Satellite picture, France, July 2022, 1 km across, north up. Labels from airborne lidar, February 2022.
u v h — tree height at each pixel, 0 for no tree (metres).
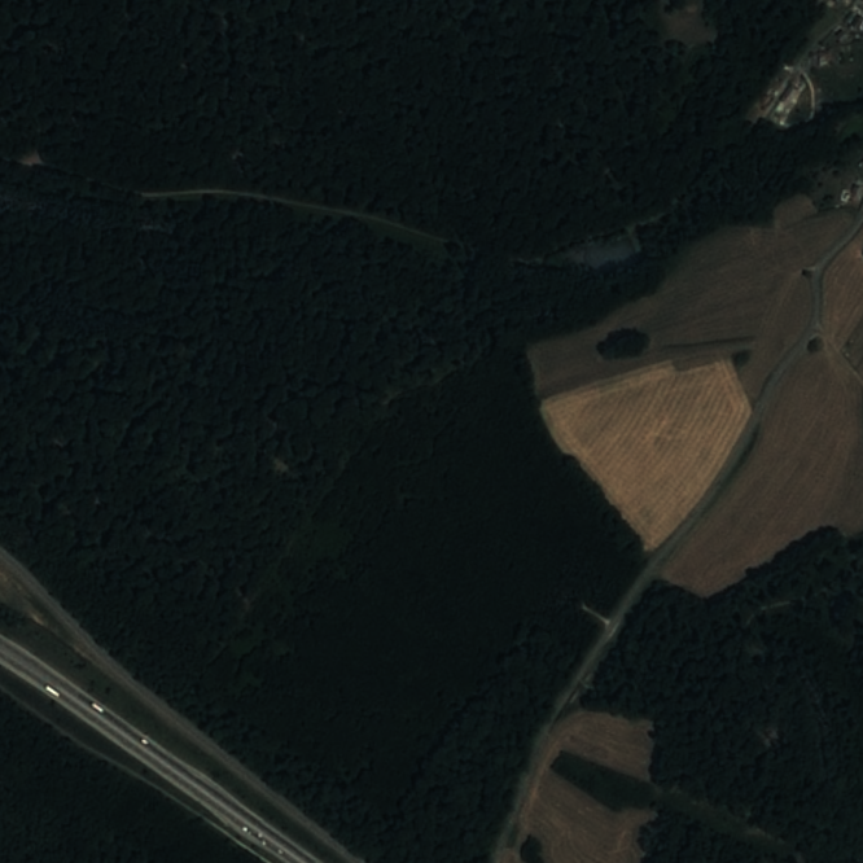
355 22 25
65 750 19
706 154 14
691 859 25
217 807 0
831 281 0
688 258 0
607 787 0
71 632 0
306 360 25
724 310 0
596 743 0
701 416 0
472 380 11
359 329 27
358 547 8
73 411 27
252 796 0
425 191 22
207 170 25
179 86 28
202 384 26
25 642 0
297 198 13
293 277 24
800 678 29
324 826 21
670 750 20
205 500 29
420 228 15
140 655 17
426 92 29
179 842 8
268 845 0
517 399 13
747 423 0
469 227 24
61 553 19
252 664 6
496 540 11
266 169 24
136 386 26
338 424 28
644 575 0
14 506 25
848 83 0
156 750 0
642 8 25
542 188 27
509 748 22
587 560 11
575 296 28
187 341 15
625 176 28
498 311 20
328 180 27
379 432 8
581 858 0
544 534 13
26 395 29
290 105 28
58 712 0
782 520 0
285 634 9
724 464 0
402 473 7
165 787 0
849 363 0
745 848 11
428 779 29
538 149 25
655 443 0
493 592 11
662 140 11
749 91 29
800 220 0
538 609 11
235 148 23
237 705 7
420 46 32
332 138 24
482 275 29
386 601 11
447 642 14
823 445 0
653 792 0
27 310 26
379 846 22
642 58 8
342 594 11
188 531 27
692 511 0
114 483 24
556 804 0
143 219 21
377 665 11
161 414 27
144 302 22
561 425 0
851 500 0
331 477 15
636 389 0
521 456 10
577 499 13
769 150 13
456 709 16
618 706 28
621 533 19
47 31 26
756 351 0
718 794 20
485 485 12
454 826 26
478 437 12
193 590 25
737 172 20
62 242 22
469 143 26
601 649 0
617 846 0
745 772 25
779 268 0
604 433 0
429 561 11
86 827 21
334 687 8
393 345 28
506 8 29
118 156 26
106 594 16
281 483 22
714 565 0
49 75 29
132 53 27
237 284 26
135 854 19
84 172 12
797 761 25
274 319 24
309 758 7
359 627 11
